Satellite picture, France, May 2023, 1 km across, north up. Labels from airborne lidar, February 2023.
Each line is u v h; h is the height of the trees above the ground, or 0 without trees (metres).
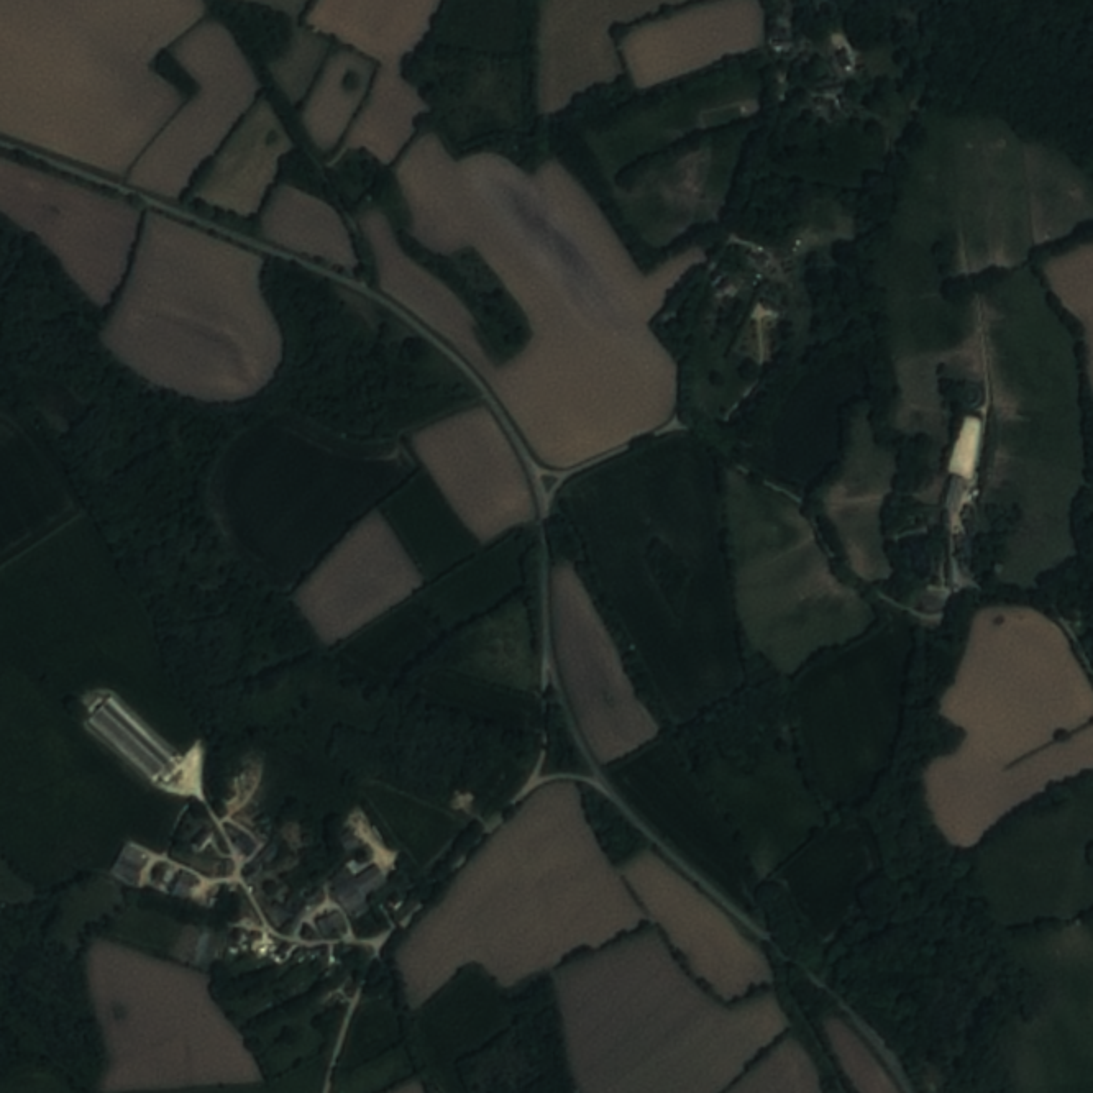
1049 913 0
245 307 0
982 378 0
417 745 7
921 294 0
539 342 0
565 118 13
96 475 10
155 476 8
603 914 0
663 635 0
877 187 24
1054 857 0
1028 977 9
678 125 0
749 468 7
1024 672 0
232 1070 0
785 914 15
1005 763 0
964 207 0
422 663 14
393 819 0
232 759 0
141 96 0
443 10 6
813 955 21
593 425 0
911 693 16
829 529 12
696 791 0
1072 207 0
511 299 0
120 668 0
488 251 0
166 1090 0
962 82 19
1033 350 0
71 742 0
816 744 0
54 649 0
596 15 0
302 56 0
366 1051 0
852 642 8
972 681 0
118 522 11
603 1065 0
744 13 0
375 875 0
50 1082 0
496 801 0
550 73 0
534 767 0
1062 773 0
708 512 0
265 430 0
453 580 0
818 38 18
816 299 21
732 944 0
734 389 0
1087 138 14
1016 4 14
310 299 15
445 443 0
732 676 0
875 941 22
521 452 0
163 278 0
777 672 12
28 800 0
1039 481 0
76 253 0
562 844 0
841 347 13
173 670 7
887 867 8
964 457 0
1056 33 11
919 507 7
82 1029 15
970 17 20
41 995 0
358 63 0
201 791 0
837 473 14
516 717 0
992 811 0
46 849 0
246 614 9
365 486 0
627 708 0
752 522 0
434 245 0
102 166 0
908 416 0
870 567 0
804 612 0
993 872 0
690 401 15
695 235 18
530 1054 9
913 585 14
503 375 0
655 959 0
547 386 0
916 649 9
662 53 0
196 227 8
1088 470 8
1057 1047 0
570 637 0
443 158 0
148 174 0
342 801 0
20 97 0
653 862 0
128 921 0
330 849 10
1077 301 0
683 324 13
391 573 0
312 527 0
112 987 0
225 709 10
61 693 0
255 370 0
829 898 0
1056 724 0
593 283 0
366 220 0
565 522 10
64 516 0
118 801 0
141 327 0
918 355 0
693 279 14
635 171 8
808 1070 0
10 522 0
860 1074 0
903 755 17
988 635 0
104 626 0
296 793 0
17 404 15
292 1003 10
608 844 11
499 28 0
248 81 0
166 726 0
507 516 0
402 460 0
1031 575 0
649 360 0
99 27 0
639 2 0
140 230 8
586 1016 0
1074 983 0
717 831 0
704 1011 0
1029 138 12
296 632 9
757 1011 0
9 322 11
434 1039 0
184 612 0
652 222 0
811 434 0
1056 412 0
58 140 0
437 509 0
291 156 9
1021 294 0
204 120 0
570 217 0
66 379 11
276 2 0
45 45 0
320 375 11
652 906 0
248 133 0
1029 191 0
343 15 0
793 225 6
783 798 0
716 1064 0
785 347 6
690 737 13
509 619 0
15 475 0
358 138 0
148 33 0
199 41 0
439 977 0
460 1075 8
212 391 0
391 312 0
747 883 0
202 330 0
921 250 0
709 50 0
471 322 0
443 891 11
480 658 0
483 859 0
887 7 19
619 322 0
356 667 0
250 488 0
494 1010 0
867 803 16
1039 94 17
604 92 11
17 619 0
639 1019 0
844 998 12
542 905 0
